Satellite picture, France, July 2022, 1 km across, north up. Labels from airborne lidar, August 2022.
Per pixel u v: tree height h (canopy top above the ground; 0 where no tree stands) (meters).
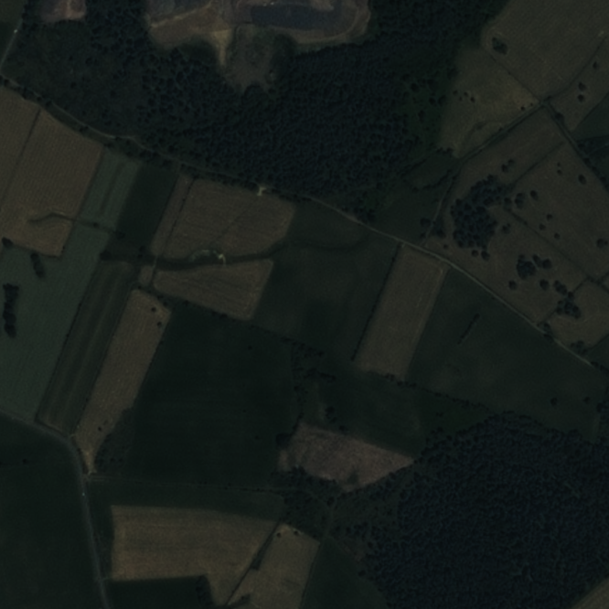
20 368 0
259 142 12
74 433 0
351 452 0
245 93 10
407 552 19
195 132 16
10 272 0
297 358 7
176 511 0
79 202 0
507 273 0
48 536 0
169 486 0
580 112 0
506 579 17
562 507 25
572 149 0
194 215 0
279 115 16
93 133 0
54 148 0
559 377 0
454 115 0
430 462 11
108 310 0
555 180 0
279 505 0
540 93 0
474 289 0
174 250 0
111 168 0
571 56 0
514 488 25
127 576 0
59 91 0
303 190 10
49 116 0
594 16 0
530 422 7
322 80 15
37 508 0
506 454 22
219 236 0
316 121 9
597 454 21
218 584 0
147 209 0
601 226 0
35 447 0
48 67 0
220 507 0
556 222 0
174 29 0
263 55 0
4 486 0
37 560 0
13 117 0
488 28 0
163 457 0
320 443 0
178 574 0
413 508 15
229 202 0
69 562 0
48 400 0
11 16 0
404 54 8
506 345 0
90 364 0
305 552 0
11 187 0
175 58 17
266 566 0
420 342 0
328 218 0
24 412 0
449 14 19
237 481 0
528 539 22
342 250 0
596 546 18
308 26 0
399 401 0
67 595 0
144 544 0
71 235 0
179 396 0
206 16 0
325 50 17
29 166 0
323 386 0
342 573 0
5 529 0
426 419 0
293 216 0
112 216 0
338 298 0
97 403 0
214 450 0
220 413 0
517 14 0
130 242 0
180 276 0
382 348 0
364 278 0
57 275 0
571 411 0
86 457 0
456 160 0
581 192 0
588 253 0
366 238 0
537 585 22
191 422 0
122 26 15
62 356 0
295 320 0
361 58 15
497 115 0
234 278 0
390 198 0
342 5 0
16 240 0
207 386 0
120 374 0
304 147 20
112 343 0
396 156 14
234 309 0
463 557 22
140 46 16
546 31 0
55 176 0
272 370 0
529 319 0
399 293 0
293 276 0
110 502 0
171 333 0
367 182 8
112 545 0
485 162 0
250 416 0
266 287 0
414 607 12
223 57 0
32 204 0
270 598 0
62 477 0
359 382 0
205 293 0
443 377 0
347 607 0
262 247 0
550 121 0
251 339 0
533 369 0
